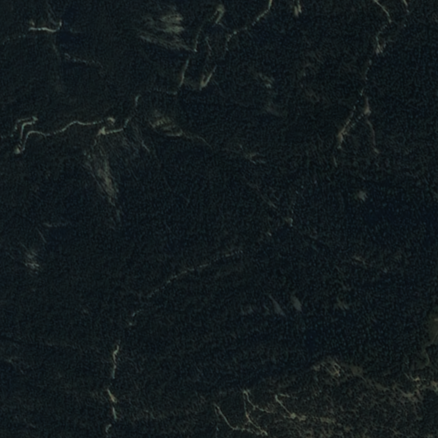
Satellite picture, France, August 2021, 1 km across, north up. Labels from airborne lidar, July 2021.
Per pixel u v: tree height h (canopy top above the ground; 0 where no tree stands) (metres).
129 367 7
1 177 7
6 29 7
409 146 13
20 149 12
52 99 8
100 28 11
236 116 9
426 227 12
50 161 8
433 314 12
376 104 15
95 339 10
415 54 14
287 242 14
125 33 11
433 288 12
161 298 6
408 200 18
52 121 9
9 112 7
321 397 5
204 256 9
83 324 6
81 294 12
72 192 9
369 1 9
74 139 9
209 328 12
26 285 13
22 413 10
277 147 12
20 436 8
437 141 16
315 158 14
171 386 9
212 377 15
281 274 14
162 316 8
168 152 13
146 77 9
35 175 14
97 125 7
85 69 10
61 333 9
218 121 15
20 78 13
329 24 14
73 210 12
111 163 9
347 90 16
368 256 13
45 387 13
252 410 8
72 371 12
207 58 12
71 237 11
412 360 12
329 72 19
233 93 12
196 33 8
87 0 8
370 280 11
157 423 11
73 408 14
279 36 14
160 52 7
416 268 10
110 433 7
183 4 10
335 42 14
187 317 10
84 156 7
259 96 9
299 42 16
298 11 0
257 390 7
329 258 15
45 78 8
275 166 8
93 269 11
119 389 12
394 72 16
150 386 11
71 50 8
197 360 9
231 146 9
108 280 15
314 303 8
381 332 19
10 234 9
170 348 10
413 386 8
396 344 14
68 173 9
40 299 9
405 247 12
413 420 9
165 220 13
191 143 11
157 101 9
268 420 12
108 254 11
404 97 16
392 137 12
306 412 6
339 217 13
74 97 6
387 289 10
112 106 12
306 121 12
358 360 13
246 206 12
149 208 16
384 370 8
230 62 12
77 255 12
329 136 8
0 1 6
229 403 8
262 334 10
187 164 14
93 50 10
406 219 17
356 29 14
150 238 12
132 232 11
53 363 10
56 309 13
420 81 13
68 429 9
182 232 10
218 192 9
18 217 11
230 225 12
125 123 6
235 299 11
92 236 15
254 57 13
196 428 7
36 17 8
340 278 20
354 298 16
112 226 9
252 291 14
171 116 8
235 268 11
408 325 14
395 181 11
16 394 8
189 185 16
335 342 19
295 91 6
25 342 11
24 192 9
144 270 6
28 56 6
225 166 10
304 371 9
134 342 16
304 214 11
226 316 17
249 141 9
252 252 13
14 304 9
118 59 14
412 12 15
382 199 11
